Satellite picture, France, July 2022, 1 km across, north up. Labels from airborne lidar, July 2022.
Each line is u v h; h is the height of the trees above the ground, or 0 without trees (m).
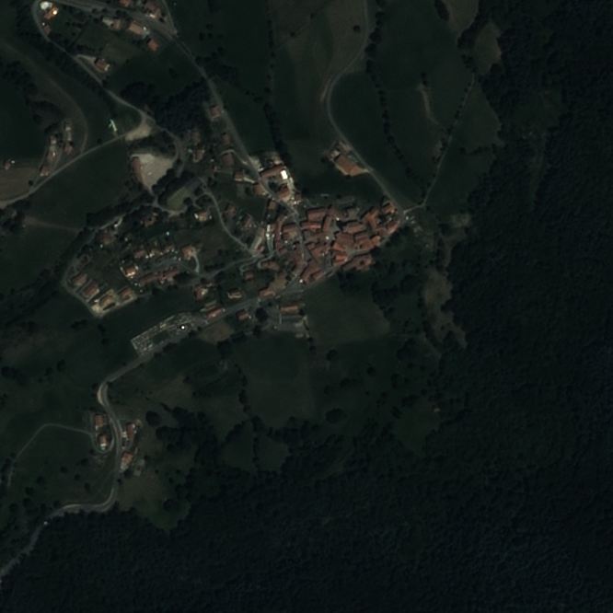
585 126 23
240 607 22
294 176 0
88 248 10
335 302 0
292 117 0
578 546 32
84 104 0
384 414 0
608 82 34
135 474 0
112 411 0
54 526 21
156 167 0
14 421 0
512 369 34
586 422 25
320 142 0
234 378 0
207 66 11
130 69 0
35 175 0
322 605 22
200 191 12
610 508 23
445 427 19
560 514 31
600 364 27
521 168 11
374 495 14
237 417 0
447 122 0
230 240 0
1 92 0
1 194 0
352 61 0
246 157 0
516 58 31
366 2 0
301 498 28
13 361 0
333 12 0
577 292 26
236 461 0
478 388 16
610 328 33
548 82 20
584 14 23
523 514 24
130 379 0
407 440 0
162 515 0
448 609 30
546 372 32
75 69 17
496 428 23
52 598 21
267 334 0
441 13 16
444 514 29
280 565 20
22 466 0
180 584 20
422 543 29
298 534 19
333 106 0
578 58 27
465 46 14
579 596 22
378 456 25
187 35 0
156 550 23
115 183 0
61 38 6
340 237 0
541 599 22
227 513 32
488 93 12
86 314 0
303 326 0
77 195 0
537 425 19
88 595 25
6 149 0
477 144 0
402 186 0
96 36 0
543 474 24
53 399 0
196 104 13
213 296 0
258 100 12
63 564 28
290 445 21
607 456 17
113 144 0
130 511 10
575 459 21
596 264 31
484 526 22
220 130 0
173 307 0
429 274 0
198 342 0
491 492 25
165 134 9
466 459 23
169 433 15
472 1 0
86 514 13
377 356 0
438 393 7
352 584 33
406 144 0
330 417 17
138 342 0
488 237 15
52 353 0
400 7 0
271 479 24
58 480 0
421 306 15
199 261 0
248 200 0
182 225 0
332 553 26
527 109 0
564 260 26
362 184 0
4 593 20
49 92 0
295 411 0
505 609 19
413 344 23
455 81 0
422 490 15
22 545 10
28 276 0
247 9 0
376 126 0
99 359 0
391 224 0
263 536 19
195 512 21
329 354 10
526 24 10
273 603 29
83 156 0
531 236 24
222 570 18
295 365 0
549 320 18
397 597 30
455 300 16
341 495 19
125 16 11
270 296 0
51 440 0
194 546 22
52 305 0
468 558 27
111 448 0
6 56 0
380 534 21
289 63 0
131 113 0
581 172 19
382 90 8
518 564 27
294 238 0
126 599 20
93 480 0
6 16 0
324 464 18
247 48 0
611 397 19
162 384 0
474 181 0
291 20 0
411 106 0
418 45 0
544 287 22
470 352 19
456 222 0
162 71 0
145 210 10
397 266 16
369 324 0
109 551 13
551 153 22
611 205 17
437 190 0
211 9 13
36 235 0
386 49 0
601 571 31
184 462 0
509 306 31
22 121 0
